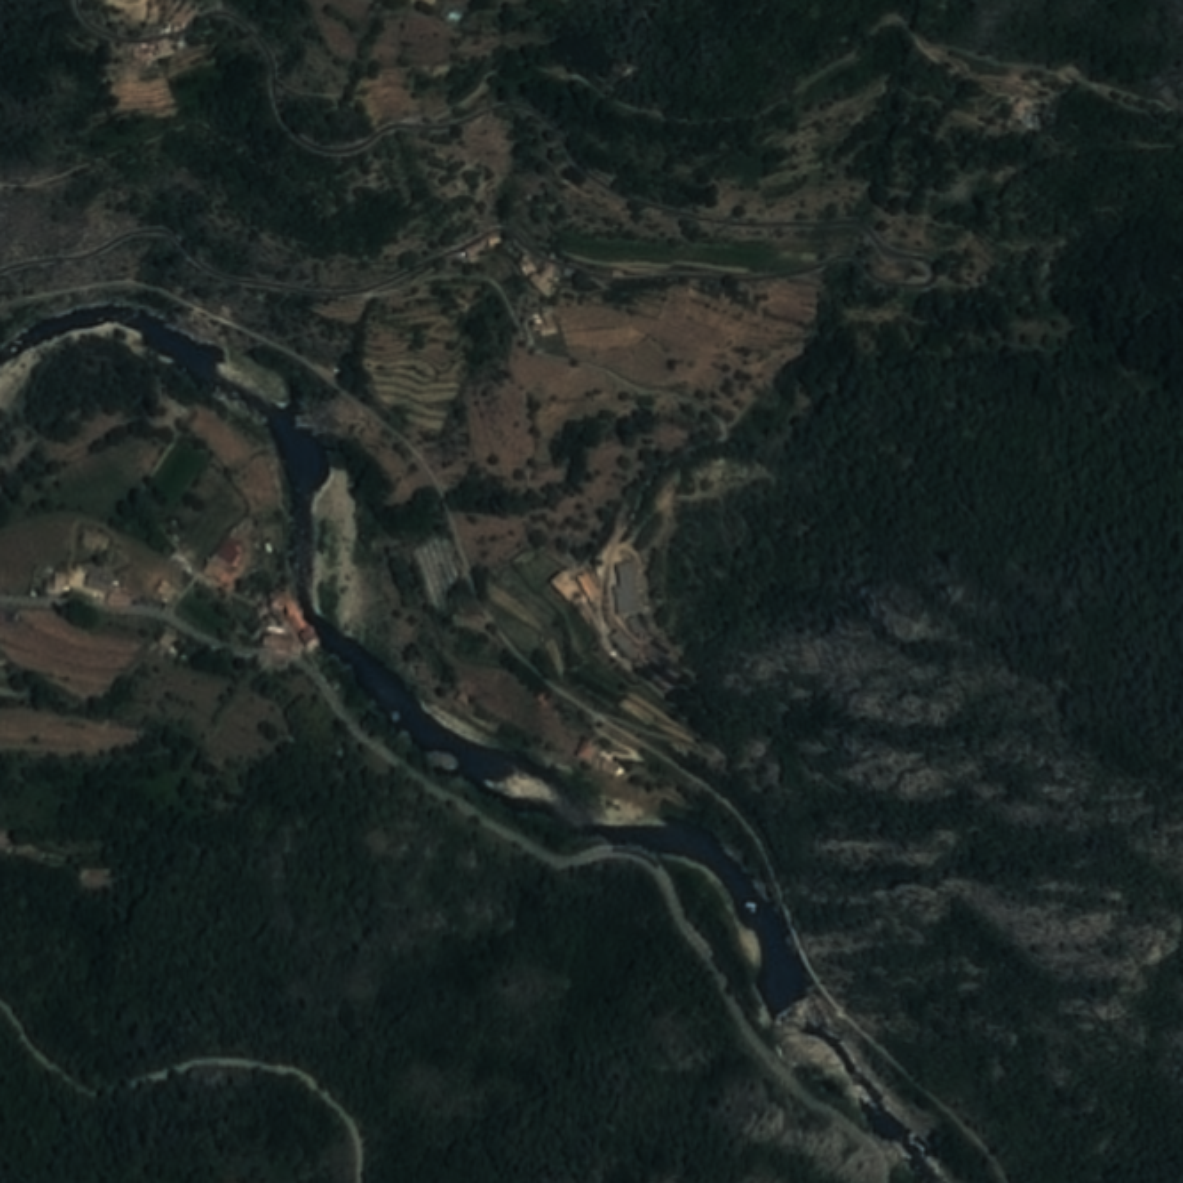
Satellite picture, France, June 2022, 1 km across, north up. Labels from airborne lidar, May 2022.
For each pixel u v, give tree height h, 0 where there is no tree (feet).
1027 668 29
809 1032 0
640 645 0
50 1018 50
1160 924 45
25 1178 23
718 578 24
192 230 21
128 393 43
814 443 57
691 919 39
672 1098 36
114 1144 39
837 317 29
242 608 0
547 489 24
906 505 45
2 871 35
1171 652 23
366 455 24
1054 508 56
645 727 0
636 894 41
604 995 50
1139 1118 45
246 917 43
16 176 0
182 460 0
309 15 37
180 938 41
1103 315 109
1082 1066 36
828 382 53
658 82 28
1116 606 33
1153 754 61
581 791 0
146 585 0
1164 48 30
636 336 0
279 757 27
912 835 26
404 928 18
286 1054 29
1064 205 39
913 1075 37
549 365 0
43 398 30
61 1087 58
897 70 24
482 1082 26
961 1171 39
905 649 34
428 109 0
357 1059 49
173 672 0
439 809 22
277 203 31
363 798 43
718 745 36
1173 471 48
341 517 0
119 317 0
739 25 20
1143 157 49
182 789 37
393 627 0
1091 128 37
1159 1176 26
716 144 41
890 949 26
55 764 22
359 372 45
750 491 33
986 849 31
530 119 29
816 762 24
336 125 31
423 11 37
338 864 44
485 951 29
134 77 0
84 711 24
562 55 31
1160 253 79
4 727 0
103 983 74
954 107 28
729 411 27
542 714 0
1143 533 65
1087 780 28
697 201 37
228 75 25
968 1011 28
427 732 0
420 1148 18
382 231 37
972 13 40
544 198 26
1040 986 32
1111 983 21
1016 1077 33
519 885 27
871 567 21
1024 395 46
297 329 31
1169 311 92
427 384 0
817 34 36
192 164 19
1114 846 50
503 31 34
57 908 54
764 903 0
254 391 0
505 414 0
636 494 28
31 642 0
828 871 27
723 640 28
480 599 18
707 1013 29
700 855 0
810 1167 31
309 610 0
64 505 26
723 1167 19
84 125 38
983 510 44
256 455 0
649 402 28
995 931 35
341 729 50
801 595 28
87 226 0
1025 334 33
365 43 23
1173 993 33
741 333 0
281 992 25
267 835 33
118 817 22
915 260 0
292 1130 38
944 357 21
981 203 39
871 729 21
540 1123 41
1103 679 27
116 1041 41
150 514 67
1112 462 40
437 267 38
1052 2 20
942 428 41
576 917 20
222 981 41
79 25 21
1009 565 26
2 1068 53
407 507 36
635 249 0
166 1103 36
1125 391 47
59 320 0
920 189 31
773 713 26
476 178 31
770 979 0
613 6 22
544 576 0
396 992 29
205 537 0
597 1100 31
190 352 0
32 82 31
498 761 0
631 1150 39
